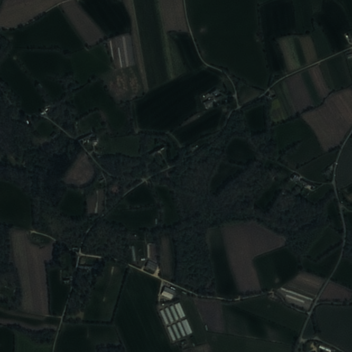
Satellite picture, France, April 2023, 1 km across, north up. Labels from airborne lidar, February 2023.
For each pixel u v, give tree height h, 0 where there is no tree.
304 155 0
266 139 15
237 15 0
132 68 0
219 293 0
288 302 0
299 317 0
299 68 0
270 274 0
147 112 0
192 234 18
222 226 20
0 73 0
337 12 0
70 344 0
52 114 11
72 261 12
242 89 0
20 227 0
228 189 23
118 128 0
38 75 0
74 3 0
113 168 19
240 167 12
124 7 0
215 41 0
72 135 25
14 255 0
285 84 0
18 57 0
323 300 7
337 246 10
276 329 0
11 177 17
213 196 16
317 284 0
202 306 0
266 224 12
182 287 9
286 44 0
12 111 13
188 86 0
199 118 0
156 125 0
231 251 0
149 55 0
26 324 0
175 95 0
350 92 0
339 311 0
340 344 0
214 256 0
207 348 0
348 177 0
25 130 16
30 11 0
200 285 6
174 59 0
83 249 8
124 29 0
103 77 0
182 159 10
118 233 16
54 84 0
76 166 0
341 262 0
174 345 0
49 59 0
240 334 0
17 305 13
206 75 0
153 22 0
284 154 13
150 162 9
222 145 7
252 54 0
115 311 9
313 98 0
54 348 0
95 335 0
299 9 0
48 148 21
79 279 19
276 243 0
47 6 0
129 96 0
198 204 8
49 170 13
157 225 0
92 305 0
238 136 21
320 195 0
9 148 18
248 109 9
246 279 0
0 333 0
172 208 0
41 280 0
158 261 11
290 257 0
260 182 16
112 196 8
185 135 0
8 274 15
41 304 0
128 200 0
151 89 0
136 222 0
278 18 0
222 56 0
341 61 0
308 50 0
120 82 0
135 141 0
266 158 9
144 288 0
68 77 12
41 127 0
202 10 0
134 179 10
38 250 0
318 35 0
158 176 14
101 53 0
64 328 0
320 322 0
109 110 0
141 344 0
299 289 0
